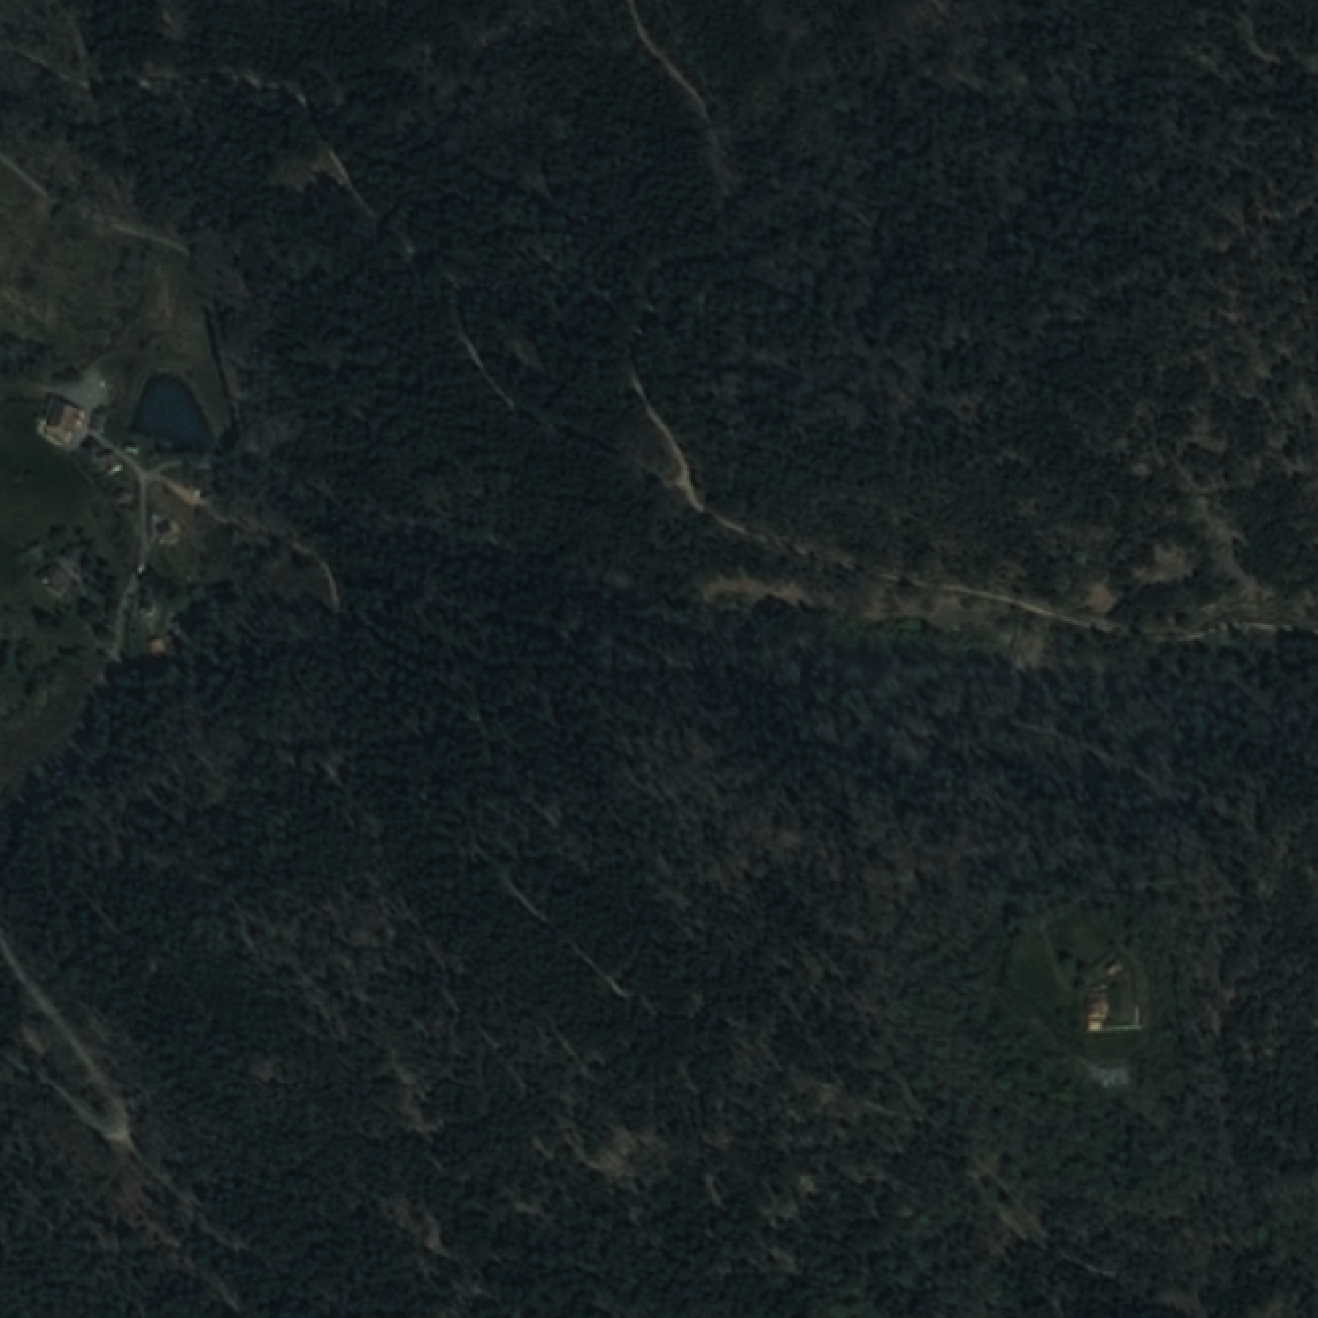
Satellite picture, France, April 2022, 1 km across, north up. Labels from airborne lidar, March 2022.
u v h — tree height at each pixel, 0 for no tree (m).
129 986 17
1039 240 9
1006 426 19
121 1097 15
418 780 19
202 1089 16
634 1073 22
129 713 27
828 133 20
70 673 8
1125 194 11
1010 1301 17
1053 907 20
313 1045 18
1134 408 12
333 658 26
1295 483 16
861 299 23
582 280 20
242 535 15
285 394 20
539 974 20
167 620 0
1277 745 16
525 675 19
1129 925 6
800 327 12
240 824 13
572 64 26
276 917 13
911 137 16
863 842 16
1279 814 17
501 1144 20
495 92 22
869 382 21
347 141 26
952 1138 10
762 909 17
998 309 12
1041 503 17
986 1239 16
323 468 25
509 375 27
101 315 0
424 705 27
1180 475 12
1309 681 30
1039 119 18
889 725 19
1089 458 9
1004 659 0
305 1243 27
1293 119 20
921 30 23
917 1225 15
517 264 19
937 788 13
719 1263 14
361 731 25
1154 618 8
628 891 15
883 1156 13
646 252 22
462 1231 18
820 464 12
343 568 8
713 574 25
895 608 8
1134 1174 21
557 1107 20
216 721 30
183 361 0
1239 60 14
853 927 13
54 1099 7
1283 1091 14
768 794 12
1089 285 21
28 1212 25
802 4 24
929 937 18
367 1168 20
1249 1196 20
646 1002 15
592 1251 24
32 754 0
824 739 16
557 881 19
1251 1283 9
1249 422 14
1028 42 17
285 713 28
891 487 19
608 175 21
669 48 16
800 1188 15
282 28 19
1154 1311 11
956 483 16
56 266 0
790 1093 14
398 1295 24
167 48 25
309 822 13
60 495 0
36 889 26
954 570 15
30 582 0
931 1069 18
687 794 20
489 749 21
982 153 16
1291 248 17
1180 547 15
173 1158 21
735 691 15
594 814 19
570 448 27
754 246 19
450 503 19
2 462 0
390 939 15
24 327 0
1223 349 20
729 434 18
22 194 0
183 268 0
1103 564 12
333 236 20
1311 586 11
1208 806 20
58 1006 18
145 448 0
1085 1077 0
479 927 17
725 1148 11
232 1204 24
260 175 24
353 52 25
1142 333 12
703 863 18
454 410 30
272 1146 19
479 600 25
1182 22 9
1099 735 19
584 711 17
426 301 28
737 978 18
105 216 15
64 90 22
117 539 6
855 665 10
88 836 25
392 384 20
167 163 20
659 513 25
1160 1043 7
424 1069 22
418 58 18
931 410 15
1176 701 23
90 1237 7
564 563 25
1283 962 15
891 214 17
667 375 20
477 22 18
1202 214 14
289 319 26
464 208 23
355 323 22
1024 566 13
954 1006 6
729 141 19
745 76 16
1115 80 20
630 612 24
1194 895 21
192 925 10
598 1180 13
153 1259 23
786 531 12
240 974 12
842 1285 8
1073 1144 15
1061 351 16
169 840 22
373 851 10
